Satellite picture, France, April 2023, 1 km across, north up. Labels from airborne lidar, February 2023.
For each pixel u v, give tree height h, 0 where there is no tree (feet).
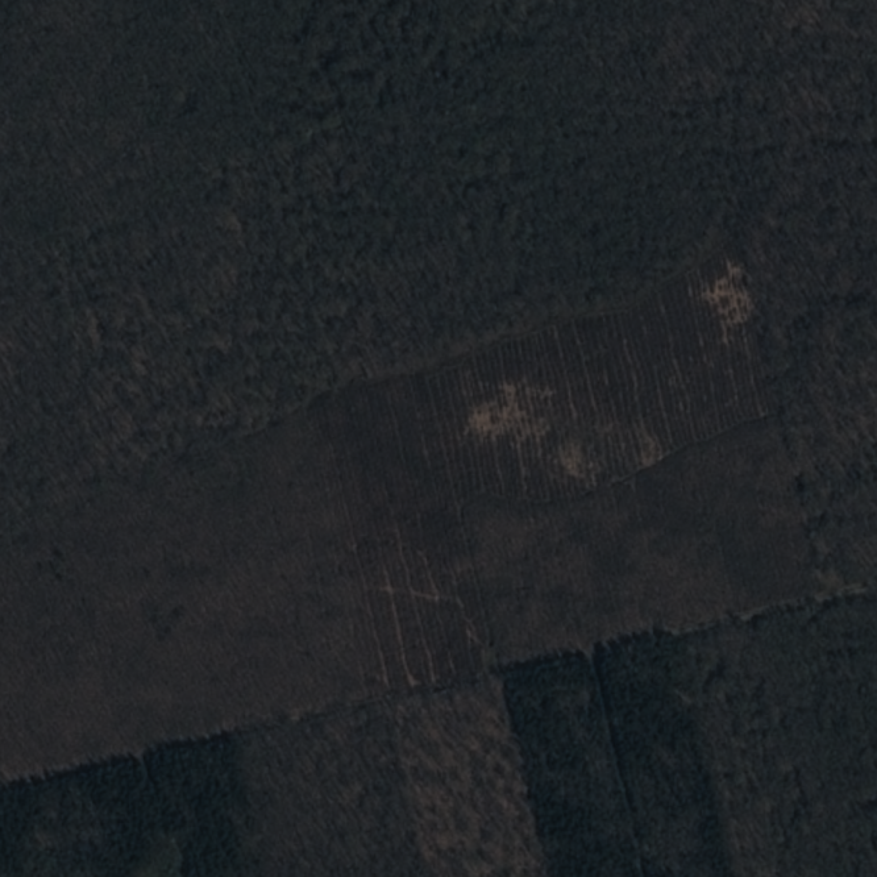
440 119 56
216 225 89
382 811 74
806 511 55
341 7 52
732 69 72
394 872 56
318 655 43
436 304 77
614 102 72
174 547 51
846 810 74
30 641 56
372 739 65
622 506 25
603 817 63
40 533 63
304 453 32
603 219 75
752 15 72
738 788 76
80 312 80
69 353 69
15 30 78
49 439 81
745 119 72
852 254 73
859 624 51
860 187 63
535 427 0
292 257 81
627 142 75
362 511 20
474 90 73
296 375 63
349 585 43
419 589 19
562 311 63
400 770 67
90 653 55
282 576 40
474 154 81
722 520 22
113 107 70
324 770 69
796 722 71
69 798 71
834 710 54
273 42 77
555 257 77
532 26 39
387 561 20
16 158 66
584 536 25
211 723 44
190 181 71
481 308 89
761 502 24
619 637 31
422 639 19
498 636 25
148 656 42
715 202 51
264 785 73
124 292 80
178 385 92
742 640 81
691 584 35
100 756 43
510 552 31
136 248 84
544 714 46
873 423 68
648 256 71
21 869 77
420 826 75
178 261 81
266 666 39
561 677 65
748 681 42
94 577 52
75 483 82
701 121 63
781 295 73
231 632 33
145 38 72
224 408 83
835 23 74
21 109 72
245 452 46
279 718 37
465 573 20
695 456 25
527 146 67
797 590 19
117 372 85
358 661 34
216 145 66
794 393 63
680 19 84
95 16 76
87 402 80
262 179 78
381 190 63
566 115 79
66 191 78
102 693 46
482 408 0
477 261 68
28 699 48
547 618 28
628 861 76
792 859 66
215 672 47
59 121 83
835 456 79
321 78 84
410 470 18
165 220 82
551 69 79
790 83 71
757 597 31
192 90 76
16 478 90
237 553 41
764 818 57
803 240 65
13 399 77
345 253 75
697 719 60
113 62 76
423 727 75
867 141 68
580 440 0
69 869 71
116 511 58
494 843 82
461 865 77
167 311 94
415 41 64
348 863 68
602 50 70
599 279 69
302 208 46
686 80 74
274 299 82
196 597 49
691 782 66
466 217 87
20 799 59
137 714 42
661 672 59
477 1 78
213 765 73
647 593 28
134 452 77
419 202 76
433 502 18
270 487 39
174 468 63
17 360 60
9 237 78
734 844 78
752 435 25
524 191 91
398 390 21
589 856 78
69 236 74
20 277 74
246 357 75
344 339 69
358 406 22
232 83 85
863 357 77
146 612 41
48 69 82
